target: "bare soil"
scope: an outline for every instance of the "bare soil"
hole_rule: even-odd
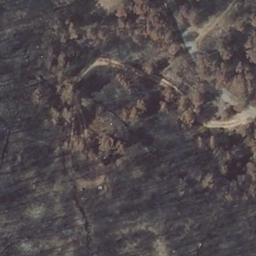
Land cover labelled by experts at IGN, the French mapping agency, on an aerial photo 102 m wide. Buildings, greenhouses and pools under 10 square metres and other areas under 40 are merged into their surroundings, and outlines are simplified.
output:
[[[116,162],[104,165],[89,160],[87,168],[76,167],[73,162],[61,156],[61,153],[54,153],[54,143],[44,141],[35,134],[40,124],[30,116],[27,108],[30,97],[36,90],[47,90],[51,85],[51,79],[42,73],[38,56],[50,17],[56,10],[73,10],[85,17],[105,15],[107,11],[101,5],[96,6],[96,0],[0,0],[0,256],[256,256],[256,214],[251,208],[225,211],[221,205],[214,205],[208,198],[198,195],[193,187],[193,180],[198,176],[208,175],[207,166],[199,162],[192,149],[181,138],[172,139],[165,134],[162,125],[155,121],[146,121],[142,125],[142,129],[130,144],[126,161],[119,166]]]

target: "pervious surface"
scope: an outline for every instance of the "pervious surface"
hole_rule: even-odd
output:
[[[237,125],[251,123],[256,117],[256,108],[249,106],[228,121],[211,120],[207,124],[208,128],[233,130]]]

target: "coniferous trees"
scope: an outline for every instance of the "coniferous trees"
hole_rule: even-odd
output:
[[[61,156],[73,162],[76,167],[87,168],[89,160],[104,165],[116,162],[119,166],[126,161],[130,144],[142,129],[142,125],[146,121],[155,121],[162,125],[165,134],[172,139],[181,138],[192,149],[199,162],[207,166],[208,175],[198,176],[193,180],[193,187],[198,195],[208,198],[214,205],[221,205],[225,211],[251,208],[256,214],[256,117],[251,123],[237,125],[233,130],[208,128],[207,124],[211,120],[228,121],[249,106],[256,108],[256,0],[96,0],[96,6],[101,5],[107,11],[105,15],[85,17],[73,10],[56,10],[50,17],[38,56],[42,73],[51,79],[51,85],[47,90],[36,90],[30,97],[27,108],[30,116],[40,124],[35,134],[44,141],[54,143],[54,153],[61,153]]]

